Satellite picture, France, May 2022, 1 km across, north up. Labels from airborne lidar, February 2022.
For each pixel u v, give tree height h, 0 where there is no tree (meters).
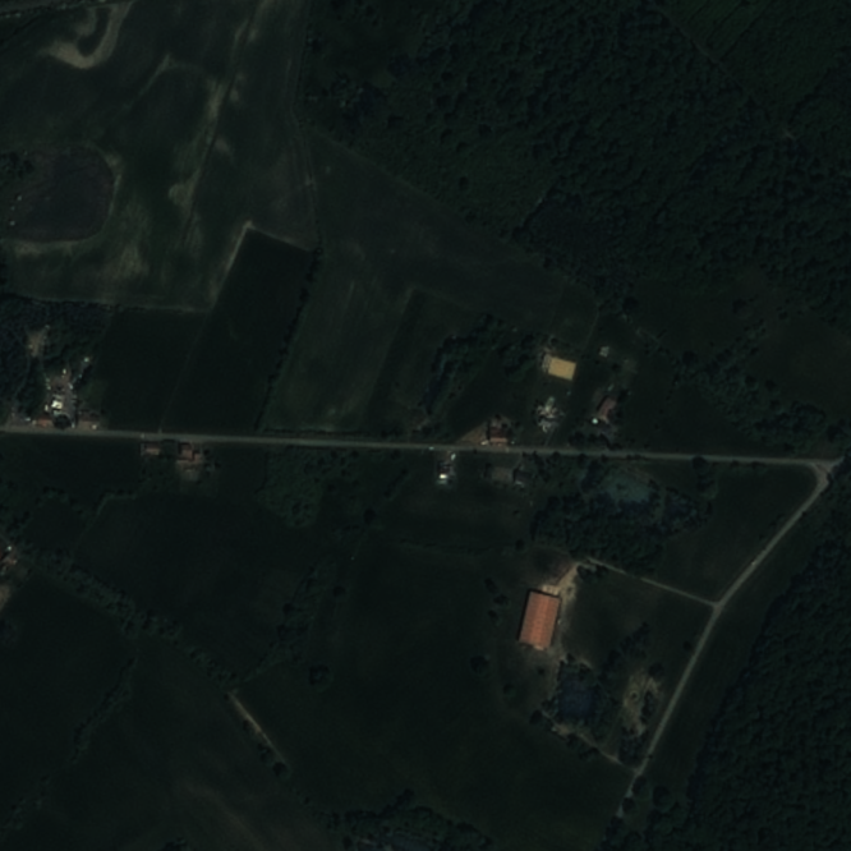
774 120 25
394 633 0
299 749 0
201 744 0
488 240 0
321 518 0
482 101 6
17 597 0
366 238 0
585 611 0
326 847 0
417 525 0
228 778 0
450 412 0
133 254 0
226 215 0
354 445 0
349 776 0
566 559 0
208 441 0
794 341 0
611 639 0
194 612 0
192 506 0
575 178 18
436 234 0
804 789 27
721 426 0
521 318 0
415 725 0
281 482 6
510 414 0
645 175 28
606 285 14
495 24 22
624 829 17
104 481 0
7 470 0
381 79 0
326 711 0
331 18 0
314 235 0
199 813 0
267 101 0
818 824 30
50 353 7
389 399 0
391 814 17
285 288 0
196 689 0
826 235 28
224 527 0
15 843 0
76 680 0
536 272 0
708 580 0
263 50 0
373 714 0
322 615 0
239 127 0
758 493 0
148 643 0
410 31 0
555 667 0
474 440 0
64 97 0
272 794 0
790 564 0
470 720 0
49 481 0
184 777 0
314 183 0
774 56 10
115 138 0
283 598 0
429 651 0
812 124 14
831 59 15
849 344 0
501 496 0
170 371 0
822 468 0
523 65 7
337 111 0
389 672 0
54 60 0
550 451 0
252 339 0
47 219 0
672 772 0
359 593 0
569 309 0
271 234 0
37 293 0
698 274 25
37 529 0
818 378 0
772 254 24
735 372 19
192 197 0
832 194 31
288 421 0
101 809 0
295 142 0
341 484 0
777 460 0
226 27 0
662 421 0
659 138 30
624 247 21
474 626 0
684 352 0
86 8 0
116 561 0
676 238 29
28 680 0
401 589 0
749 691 23
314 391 0
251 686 0
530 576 0
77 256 0
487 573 0
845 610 21
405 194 0
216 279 0
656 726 0
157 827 0
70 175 0
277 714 0
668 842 24
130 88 0
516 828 0
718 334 0
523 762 0
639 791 16
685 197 29
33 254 0
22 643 0
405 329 0
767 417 0
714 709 0
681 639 0
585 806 0
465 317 0
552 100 21
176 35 0
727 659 0
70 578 10
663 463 0
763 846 29
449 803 0
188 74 0
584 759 15
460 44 16
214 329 0
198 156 0
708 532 0
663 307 0
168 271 0
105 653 0
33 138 0
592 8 10
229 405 0
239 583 0
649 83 30
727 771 27
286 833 0
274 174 0
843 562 22
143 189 0
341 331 0
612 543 20
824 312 18
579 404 0
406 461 0
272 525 0
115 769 0
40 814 0
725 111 30
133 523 0
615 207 21
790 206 32
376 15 13
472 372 13
